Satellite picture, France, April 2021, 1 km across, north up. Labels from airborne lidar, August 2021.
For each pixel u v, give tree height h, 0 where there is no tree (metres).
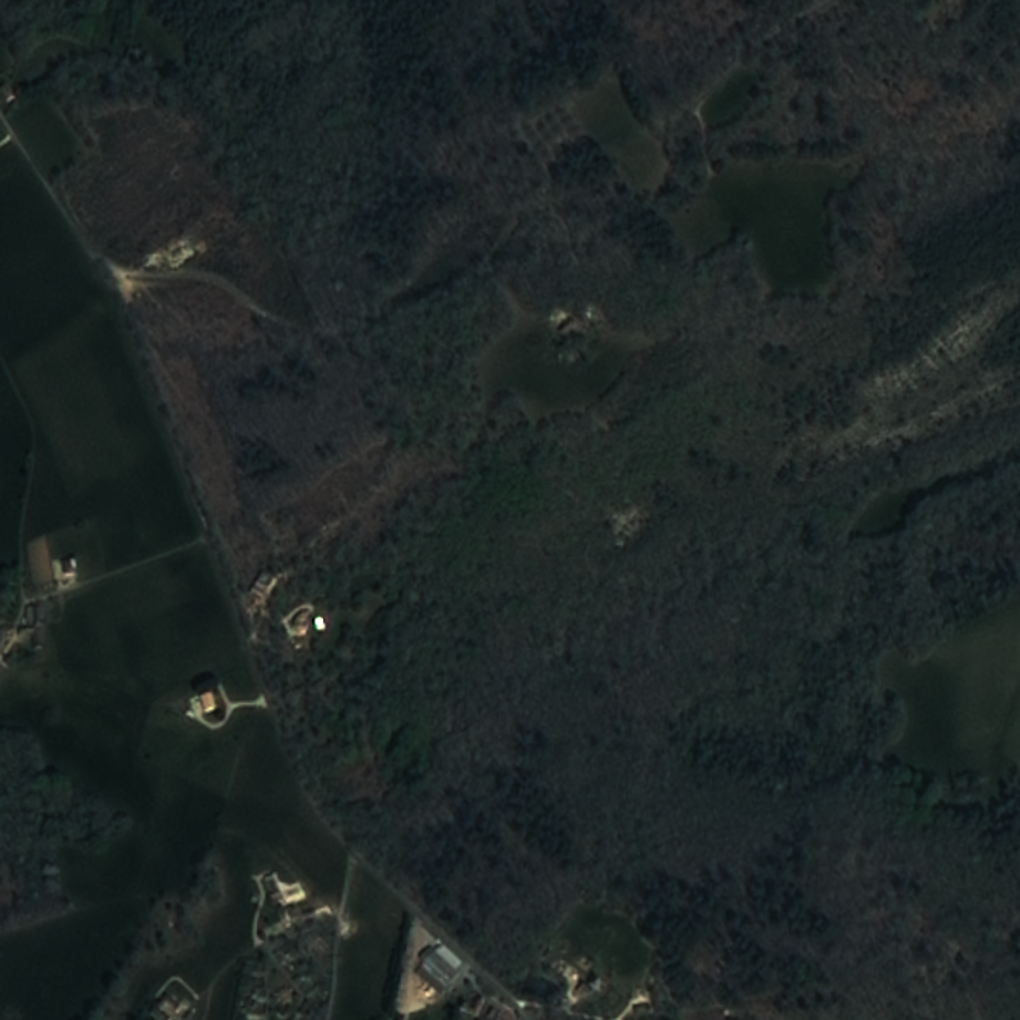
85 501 0
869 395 0
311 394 15
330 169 23
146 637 0
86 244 0
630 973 0
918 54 15
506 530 19
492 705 22
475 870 0
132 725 0
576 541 17
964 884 19
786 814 18
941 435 9
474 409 15
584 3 15
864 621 5
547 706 19
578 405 0
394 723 25
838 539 24
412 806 14
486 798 17
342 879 0
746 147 12
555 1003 8
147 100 23
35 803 20
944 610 6
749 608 17
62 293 0
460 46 18
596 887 24
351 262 19
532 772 19
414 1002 0
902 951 24
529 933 19
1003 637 0
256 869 0
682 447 14
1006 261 9
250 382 11
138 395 0
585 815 19
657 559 26
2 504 0
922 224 17
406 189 19
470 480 17
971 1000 15
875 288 13
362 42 18
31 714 0
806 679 21
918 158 18
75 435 0
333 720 13
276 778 0
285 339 15
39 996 0
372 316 18
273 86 17
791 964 17
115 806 0
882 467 20
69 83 17
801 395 16
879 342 16
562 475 19
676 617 15
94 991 0
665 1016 12
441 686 22
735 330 10
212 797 0
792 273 0
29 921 14
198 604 0
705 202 0
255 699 0
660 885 16
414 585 19
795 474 18
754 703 24
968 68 14
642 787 20
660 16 8
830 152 19
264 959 11
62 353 0
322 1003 10
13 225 0
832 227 0
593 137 0
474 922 0
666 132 8
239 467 9
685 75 14
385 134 16
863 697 14
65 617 0
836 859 16
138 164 0
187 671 0
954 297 8
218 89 13
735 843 16
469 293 19
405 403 20
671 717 23
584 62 26
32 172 0
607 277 19
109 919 0
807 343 10
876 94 15
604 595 22
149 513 0
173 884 0
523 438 19
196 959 0
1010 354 8
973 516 21
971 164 17
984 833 17
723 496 10
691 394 18
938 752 0
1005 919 13
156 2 6
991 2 15
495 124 17
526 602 20
